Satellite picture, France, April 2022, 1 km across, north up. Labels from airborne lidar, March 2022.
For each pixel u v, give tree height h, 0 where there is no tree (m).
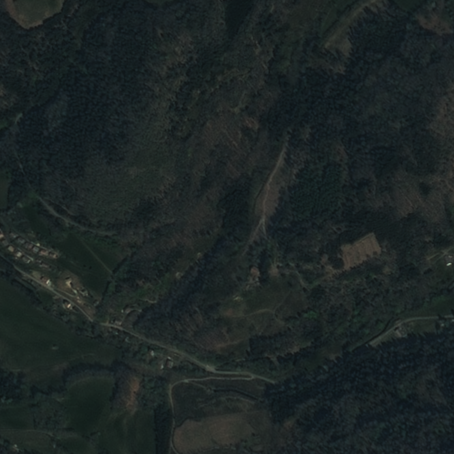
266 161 31
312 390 15
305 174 17
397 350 24
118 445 0
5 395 20
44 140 24
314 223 15
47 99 48
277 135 27
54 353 0
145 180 18
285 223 24
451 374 25
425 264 34
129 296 23
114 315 15
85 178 21
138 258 25
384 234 22
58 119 29
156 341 25
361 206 7
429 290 25
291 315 0
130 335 9
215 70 31
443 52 18
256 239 0
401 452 30
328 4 0
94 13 10
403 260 21
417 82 17
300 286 24
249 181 28
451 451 24
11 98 24
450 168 27
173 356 0
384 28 21
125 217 15
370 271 21
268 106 20
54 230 21
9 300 0
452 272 0
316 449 12
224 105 29
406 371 25
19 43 28
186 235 31
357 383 22
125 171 10
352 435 26
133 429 0
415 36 26
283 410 14
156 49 27
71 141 31
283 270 18
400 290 29
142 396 14
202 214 32
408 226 19
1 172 7
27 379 18
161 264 21
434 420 25
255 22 31
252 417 0
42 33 22
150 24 28
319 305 23
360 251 0
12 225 12
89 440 11
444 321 20
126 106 16
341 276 19
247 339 0
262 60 20
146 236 26
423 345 14
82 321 0
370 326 26
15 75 29
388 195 22
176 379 0
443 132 22
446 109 9
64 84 32
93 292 0
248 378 0
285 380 0
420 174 21
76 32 52
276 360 0
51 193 25
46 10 0
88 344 0
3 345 0
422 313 0
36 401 8
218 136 32
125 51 28
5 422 0
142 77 27
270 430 0
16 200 13
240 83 28
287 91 30
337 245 14
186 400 0
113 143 29
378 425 30
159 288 12
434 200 30
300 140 22
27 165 27
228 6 18
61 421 13
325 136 29
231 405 0
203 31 21
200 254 0
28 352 0
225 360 22
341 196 17
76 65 24
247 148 26
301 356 19
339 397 23
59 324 0
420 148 25
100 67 27
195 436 0
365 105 18
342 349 0
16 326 0
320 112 28
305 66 19
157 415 17
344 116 26
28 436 0
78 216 21
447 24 0
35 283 9
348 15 7
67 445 0
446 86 17
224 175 35
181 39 21
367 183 9
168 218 20
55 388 0
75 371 0
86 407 0
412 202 29
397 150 17
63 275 0
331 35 15
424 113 18
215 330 25
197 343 20
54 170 27
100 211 20
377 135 16
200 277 10
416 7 0
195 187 29
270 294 0
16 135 25
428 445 28
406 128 13
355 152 25
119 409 25
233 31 12
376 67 26
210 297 0
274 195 0
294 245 22
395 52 19
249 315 0
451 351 26
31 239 0
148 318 25
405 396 24
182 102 30
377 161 23
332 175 16
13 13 0
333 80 25
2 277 10
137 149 14
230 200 34
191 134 7
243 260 0
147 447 0
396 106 15
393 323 0
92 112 32
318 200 21
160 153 15
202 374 13
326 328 8
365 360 20
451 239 31
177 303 33
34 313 0
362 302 24
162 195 29
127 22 23
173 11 26
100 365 0
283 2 33
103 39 27
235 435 0
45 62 35
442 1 9
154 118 12
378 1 0
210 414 0
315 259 19
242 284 17
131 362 9
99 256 0
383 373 23
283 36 31
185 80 21
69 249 0
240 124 26
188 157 30
